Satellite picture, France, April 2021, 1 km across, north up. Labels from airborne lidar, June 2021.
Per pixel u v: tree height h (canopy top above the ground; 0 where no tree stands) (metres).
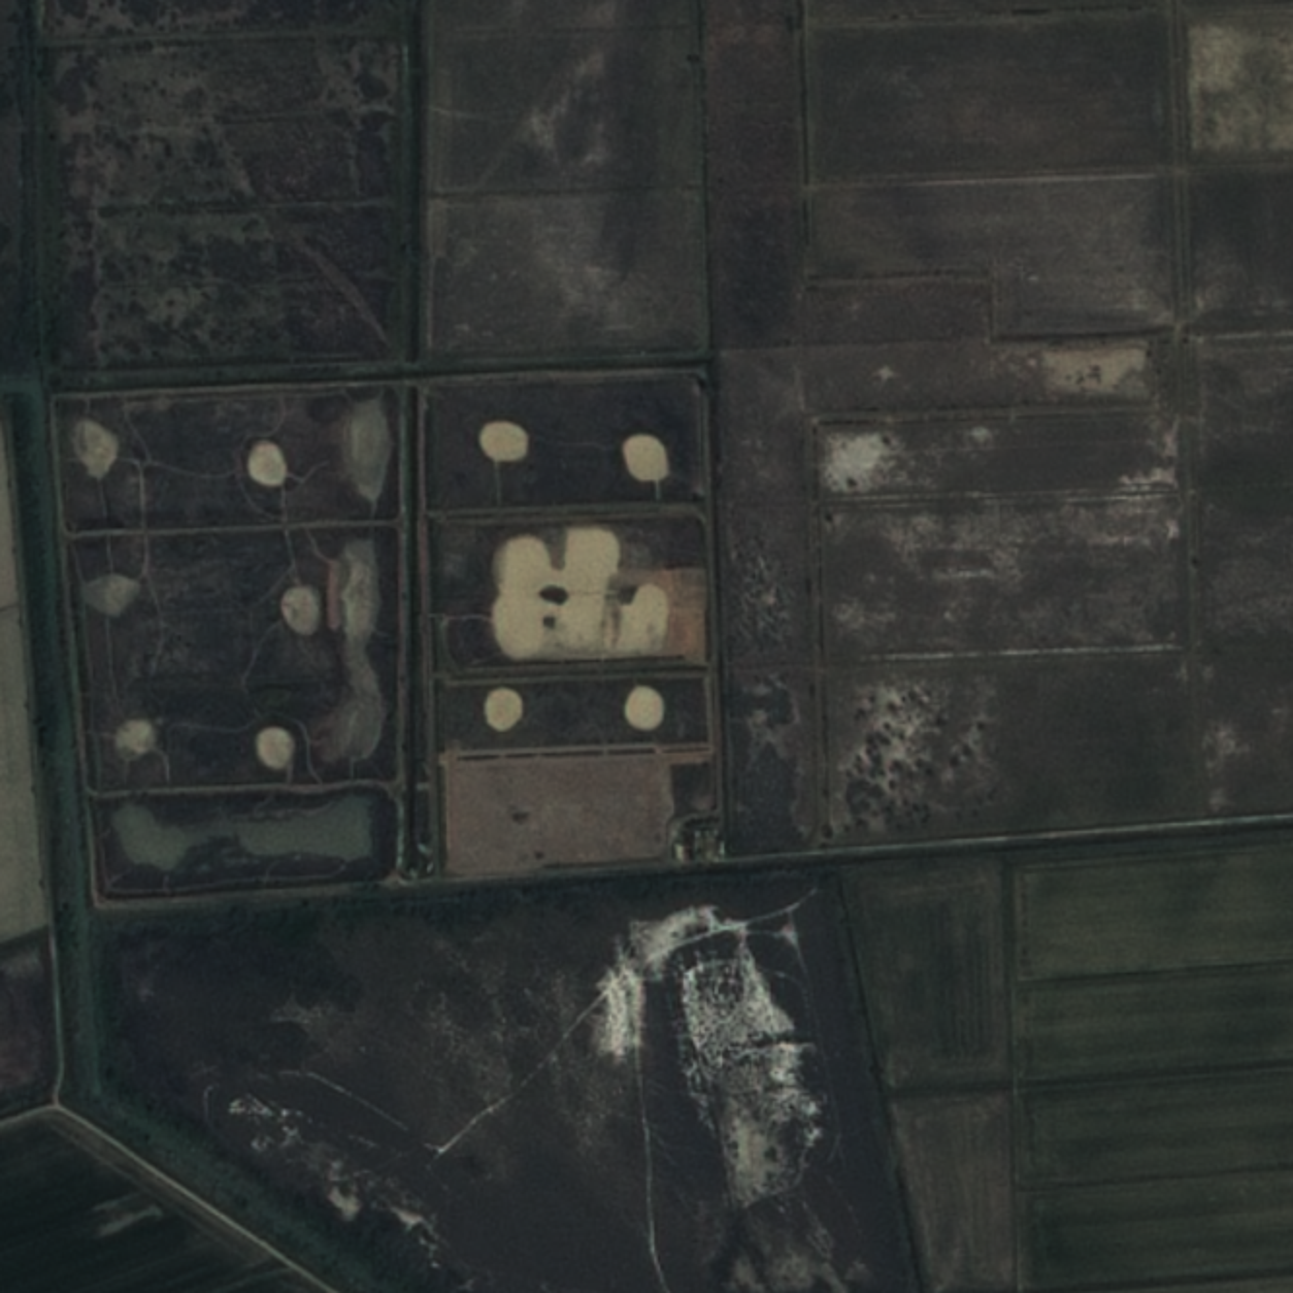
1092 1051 0
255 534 0
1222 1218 0
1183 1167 0
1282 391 0
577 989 0
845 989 0
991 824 0
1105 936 0
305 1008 0
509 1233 0
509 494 0
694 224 0
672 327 0
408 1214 0
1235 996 0
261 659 0
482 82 0
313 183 0
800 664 0
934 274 0
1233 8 0
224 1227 0
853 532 0
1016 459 0
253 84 0
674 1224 0
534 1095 0
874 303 0
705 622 0
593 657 0
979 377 0
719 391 9
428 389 0
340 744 0
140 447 0
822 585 0
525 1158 0
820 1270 0
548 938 0
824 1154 0
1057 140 0
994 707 0
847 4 0
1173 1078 0
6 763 0
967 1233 0
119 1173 0
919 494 0
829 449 0
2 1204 0
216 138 0
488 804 0
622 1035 0
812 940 0
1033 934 0
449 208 0
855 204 0
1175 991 0
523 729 0
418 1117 0
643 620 0
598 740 0
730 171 0
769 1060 0
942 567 0
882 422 0
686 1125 0
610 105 0
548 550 0
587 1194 0
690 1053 0
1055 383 0
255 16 0
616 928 0
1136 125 0
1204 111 0
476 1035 0
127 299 0
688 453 0
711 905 0
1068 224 0
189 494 0
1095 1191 0
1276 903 0
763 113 0
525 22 0
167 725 0
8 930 0
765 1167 0
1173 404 0
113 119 0
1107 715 0
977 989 0
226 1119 0
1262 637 0
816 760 0
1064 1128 0
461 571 0
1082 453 0
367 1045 0
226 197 0
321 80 0
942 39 0
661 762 0
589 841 0
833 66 0
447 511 0
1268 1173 0
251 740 0
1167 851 0
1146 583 0
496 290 0
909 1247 0
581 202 0
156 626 0
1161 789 0
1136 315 0
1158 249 0
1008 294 0
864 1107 0
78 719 0
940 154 0
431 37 0
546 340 0
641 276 0
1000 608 0
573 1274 0
